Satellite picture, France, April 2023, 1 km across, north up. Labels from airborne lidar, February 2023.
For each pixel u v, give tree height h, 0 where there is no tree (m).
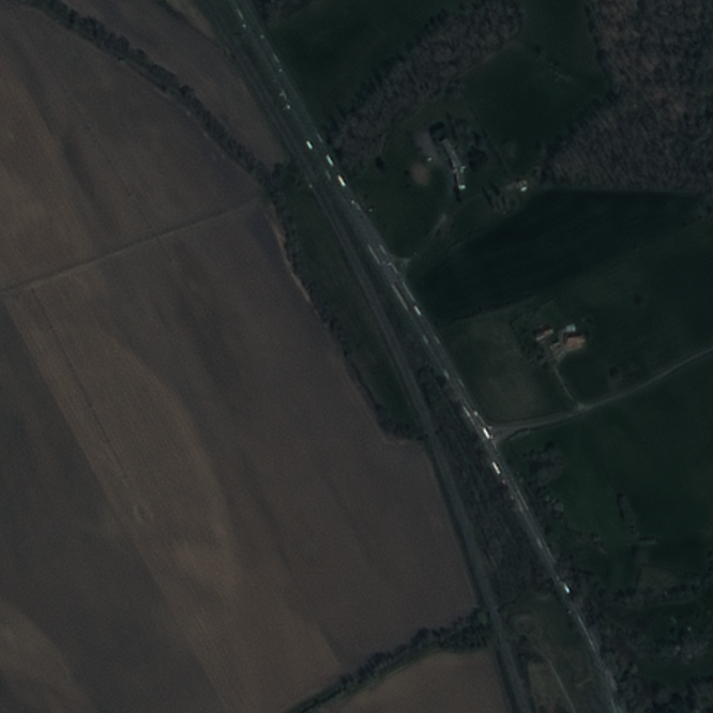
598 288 0
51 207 0
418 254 0
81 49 0
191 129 0
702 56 27
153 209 0
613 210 0
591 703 0
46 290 0
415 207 0
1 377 0
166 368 0
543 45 0
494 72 0
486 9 22
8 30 0
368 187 0
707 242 0
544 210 0
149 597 0
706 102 7
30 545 0
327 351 0
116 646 0
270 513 0
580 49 0
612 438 0
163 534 0
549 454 19
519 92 0
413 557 0
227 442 0
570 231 0
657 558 0
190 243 0
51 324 0
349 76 0
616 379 16
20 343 0
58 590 0
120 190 0
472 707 0
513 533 16
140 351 0
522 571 16
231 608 0
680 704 19
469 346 0
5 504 0
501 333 0
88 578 0
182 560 0
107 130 0
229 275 0
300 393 0
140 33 0
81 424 0
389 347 0
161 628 0
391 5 0
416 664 0
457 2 0
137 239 0
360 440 0
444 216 0
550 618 0
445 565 0
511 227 0
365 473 0
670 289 0
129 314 0
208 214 0
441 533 0
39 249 0
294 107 0
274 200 12
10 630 0
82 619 0
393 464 0
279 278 0
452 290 0
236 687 0
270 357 0
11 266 0
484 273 0
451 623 0
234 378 0
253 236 0
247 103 0
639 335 0
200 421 0
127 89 0
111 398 0
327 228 0
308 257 0
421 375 8
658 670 0
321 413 0
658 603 14
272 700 0
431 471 0
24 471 0
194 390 0
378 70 0
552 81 0
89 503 0
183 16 0
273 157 0
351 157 14
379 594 0
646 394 0
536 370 0
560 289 0
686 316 0
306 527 0
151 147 0
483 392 0
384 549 0
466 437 15
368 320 0
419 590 0
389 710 0
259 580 0
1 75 0
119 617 0
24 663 0
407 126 0
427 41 18
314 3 13
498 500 15
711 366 0
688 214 0
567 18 0
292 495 0
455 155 0
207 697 0
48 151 0
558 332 0
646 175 27
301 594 0
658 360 0
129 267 0
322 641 0
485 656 0
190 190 0
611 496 0
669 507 0
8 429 0
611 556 0
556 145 0
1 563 0
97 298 0
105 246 0
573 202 0
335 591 0
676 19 22
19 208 0
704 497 0
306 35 0
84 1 0
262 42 0
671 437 0
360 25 0
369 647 0
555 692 0
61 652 0
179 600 0
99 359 0
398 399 0
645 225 0
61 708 0
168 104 0
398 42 0
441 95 7
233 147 16
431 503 0
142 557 0
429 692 0
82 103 0
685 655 16
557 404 0
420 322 0
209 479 0
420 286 0
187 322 0
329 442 0
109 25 0
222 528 0
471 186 0
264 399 0
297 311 0
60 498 0
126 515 0
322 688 0
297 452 0
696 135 24
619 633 8
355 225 0
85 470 0
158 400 0
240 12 0
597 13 25
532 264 0
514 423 0
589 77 0
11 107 0
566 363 0
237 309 0
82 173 0
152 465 0
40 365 0
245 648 0
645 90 22
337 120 0
